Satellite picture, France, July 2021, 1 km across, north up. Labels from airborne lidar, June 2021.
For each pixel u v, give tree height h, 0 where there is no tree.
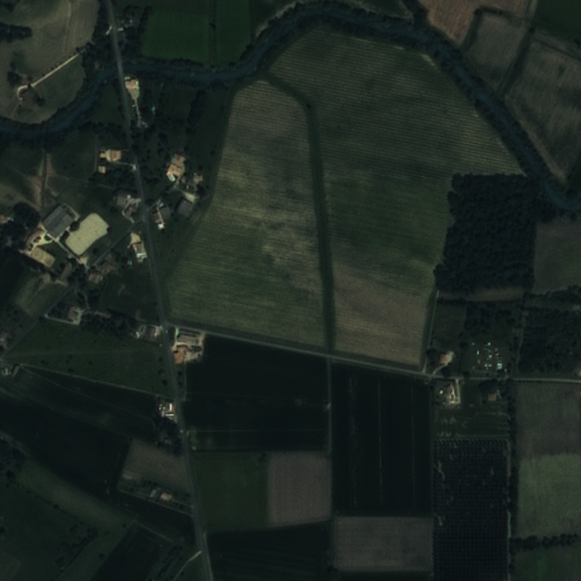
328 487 0
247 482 0
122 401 0
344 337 0
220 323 0
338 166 0
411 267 0
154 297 0
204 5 0
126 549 0
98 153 0
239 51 0
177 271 0
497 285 18
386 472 0
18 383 0
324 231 0
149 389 0
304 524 0
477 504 18
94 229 0
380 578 0
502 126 7
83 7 0
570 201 14
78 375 0
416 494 0
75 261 12
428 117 0
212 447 0
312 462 0
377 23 0
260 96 0
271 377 0
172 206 6
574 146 0
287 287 0
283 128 0
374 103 0
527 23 0
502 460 16
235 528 0
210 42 0
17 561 0
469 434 0
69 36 0
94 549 0
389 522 0
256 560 0
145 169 12
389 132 0
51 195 0
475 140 0
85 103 0
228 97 0
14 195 0
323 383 0
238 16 0
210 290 0
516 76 0
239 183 0
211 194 0
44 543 0
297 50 0
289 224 0
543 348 17
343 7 13
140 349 0
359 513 0
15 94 0
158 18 0
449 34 0
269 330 0
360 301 0
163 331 0
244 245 0
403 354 0
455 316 0
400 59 0
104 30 7
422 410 0
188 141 0
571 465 0
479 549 25
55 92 0
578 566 0
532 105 0
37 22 0
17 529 0
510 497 11
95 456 0
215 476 0
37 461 0
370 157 0
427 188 0
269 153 0
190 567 0
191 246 0
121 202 0
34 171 0
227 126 0
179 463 0
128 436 0
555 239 0
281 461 0
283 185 0
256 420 0
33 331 0
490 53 0
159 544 0
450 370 11
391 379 0
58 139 22
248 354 0
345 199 0
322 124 0
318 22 15
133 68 0
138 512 0
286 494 0
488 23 0
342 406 0
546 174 12
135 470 0
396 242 0
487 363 0
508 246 21
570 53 0
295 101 0
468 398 0
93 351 0
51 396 0
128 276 0
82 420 0
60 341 0
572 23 0
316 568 0
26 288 0
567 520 0
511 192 16
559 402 0
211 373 0
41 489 0
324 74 0
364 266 0
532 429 0
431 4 0
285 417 0
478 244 10
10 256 19
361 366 0
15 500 0
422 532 0
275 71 0
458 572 21
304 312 0
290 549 0
